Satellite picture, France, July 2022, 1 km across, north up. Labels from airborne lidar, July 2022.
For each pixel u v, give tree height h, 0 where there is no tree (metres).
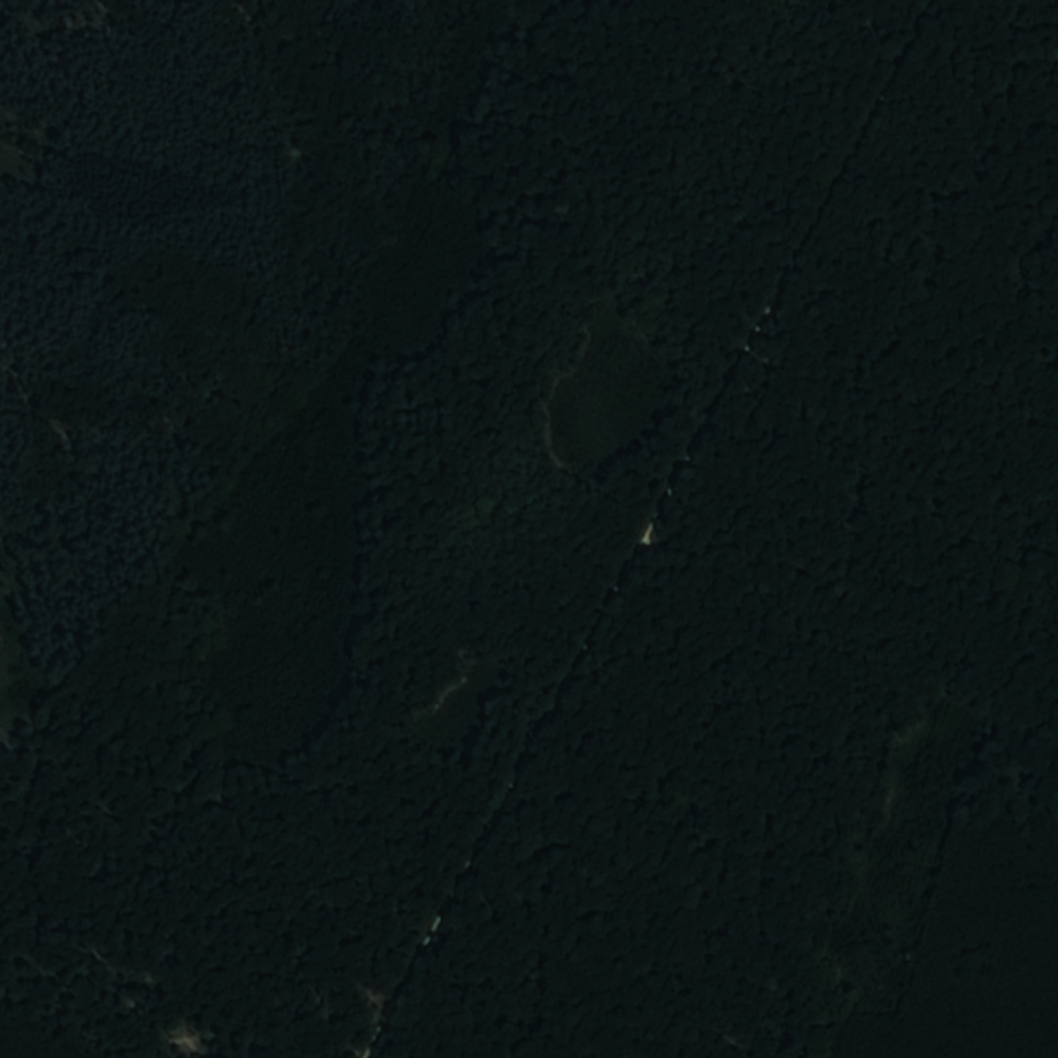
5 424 36
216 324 30
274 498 8
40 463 28
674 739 25
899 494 25
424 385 27
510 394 17
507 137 28
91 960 27
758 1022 27
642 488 24
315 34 28
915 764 5
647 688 26
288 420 21
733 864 29
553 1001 28
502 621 25
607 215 11
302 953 19
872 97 19
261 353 32
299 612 16
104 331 37
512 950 28
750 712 25
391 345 8
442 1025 28
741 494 24
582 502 24
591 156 21
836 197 26
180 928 27
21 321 34
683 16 25
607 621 25
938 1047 10
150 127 33
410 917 27
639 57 25
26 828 17
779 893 29
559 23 21
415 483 26
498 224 22
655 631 27
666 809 29
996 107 26
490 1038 26
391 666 23
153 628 28
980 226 27
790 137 25
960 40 25
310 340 30
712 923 27
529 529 21
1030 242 16
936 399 16
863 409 27
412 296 8
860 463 20
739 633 26
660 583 24
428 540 18
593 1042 28
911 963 12
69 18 22
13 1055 11
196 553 8
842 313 22
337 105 20
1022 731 26
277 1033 28
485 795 25
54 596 37
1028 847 13
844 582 25
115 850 29
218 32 28
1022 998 13
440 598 22
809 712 25
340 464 7
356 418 7
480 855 22
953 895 14
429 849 24
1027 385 23
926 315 26
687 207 19
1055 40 26
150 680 24
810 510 26
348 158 24
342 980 28
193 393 32
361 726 28
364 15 27
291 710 10
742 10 21
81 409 29
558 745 30
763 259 23
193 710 25
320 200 28
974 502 24
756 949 27
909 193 24
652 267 17
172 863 25
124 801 24
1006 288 27
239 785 23
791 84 20
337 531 9
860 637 28
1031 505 21
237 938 23
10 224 36
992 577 24
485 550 18
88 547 36
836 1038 11
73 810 27
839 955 8
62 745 27
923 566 27
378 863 26
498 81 21
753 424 25
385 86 26
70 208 31
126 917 27
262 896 24
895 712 25
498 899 26
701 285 24
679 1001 27
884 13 23
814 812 27
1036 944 14
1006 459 20
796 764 25
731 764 25
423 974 26
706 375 21
